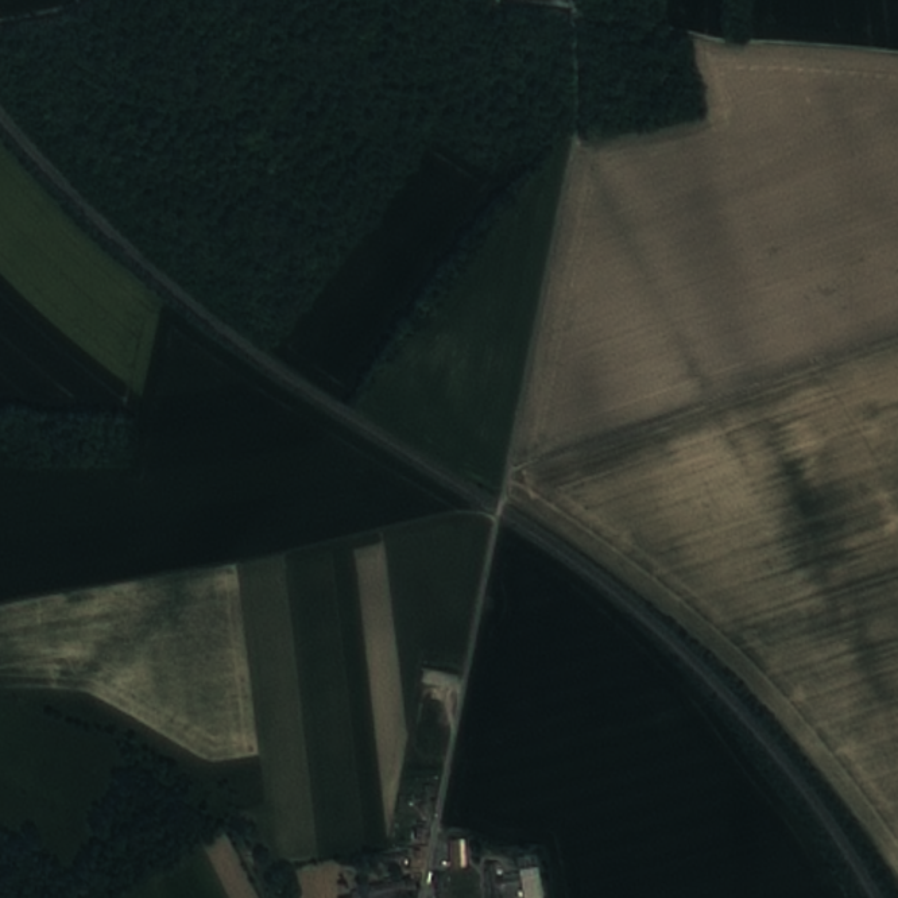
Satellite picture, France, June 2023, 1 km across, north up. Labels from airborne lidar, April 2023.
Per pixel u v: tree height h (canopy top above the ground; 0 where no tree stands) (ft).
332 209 55
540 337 0
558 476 0
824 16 0
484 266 0
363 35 30
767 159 0
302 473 0
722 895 0
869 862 26
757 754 32
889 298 0
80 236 0
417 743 0
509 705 0
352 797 0
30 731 0
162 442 0
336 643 0
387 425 0
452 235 0
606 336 0
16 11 0
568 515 0
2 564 0
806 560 0
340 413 0
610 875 0
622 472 0
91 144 26
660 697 0
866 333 0
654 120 50
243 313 50
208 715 0
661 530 0
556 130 45
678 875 0
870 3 0
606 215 0
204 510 0
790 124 0
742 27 40
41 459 56
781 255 0
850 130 0
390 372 0
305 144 46
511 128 53
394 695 0
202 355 0
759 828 0
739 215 0
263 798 0
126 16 63
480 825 0
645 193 0
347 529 0
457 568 0
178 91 70
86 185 29
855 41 0
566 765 0
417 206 0
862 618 0
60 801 0
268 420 0
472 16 59
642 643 0
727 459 0
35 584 0
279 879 45
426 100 42
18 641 0
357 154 72
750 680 0
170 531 0
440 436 0
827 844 36
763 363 0
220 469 0
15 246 0
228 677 0
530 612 0
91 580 0
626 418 0
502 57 60
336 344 0
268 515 0
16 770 0
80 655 0
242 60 57
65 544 0
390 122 31
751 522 0
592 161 0
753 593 0
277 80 44
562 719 0
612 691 0
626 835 0
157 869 31
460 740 0
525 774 0
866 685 0
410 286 0
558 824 0
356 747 0
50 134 26
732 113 0
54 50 48
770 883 0
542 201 0
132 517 0
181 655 0
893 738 0
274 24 57
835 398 0
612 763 0
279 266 36
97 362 0
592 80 28
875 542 0
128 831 68
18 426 69
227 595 0
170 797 54
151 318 0
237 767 0
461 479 0
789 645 0
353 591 0
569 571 0
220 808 0
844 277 0
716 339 0
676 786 0
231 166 43
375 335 0
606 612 0
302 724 0
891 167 0
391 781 0
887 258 0
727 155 0
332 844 0
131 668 0
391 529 0
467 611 0
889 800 0
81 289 0
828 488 0
